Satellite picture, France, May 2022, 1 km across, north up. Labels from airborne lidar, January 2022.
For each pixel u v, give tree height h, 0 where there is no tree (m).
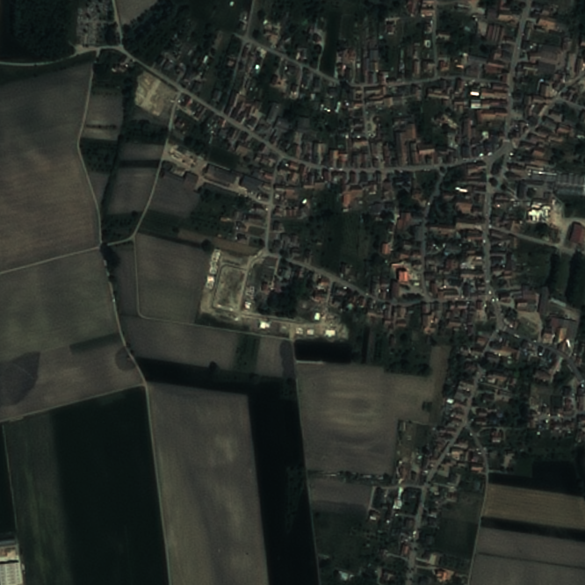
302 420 0
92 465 0
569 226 0
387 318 0
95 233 0
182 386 0
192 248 0
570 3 0
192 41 0
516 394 0
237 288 0
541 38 0
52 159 0
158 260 0
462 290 0
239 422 0
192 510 0
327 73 0
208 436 0
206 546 0
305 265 0
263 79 12
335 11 0
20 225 0
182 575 0
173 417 0
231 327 0
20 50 0
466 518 0
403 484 0
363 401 0
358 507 0
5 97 0
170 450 0
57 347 0
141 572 0
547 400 0
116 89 0
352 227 0
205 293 0
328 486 0
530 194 11
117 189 0
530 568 0
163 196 0
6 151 0
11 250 0
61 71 0
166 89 0
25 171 0
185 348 0
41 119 0
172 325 0
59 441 0
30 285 0
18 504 0
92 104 0
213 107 0
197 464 0
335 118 0
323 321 0
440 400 0
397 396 0
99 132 0
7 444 0
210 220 0
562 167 0
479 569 0
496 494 0
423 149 0
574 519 0
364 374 0
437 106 0
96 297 0
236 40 8
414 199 0
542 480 0
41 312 0
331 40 0
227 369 0
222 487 0
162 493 0
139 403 0
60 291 0
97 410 0
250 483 0
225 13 0
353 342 0
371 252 0
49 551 0
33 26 21
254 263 0
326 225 0
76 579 0
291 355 0
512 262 0
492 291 0
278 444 0
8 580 0
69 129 0
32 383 0
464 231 9
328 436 0
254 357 0
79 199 0
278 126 0
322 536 0
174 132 0
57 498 0
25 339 0
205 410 0
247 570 0
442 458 0
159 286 0
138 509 0
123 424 0
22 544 0
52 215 0
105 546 0
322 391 0
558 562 0
